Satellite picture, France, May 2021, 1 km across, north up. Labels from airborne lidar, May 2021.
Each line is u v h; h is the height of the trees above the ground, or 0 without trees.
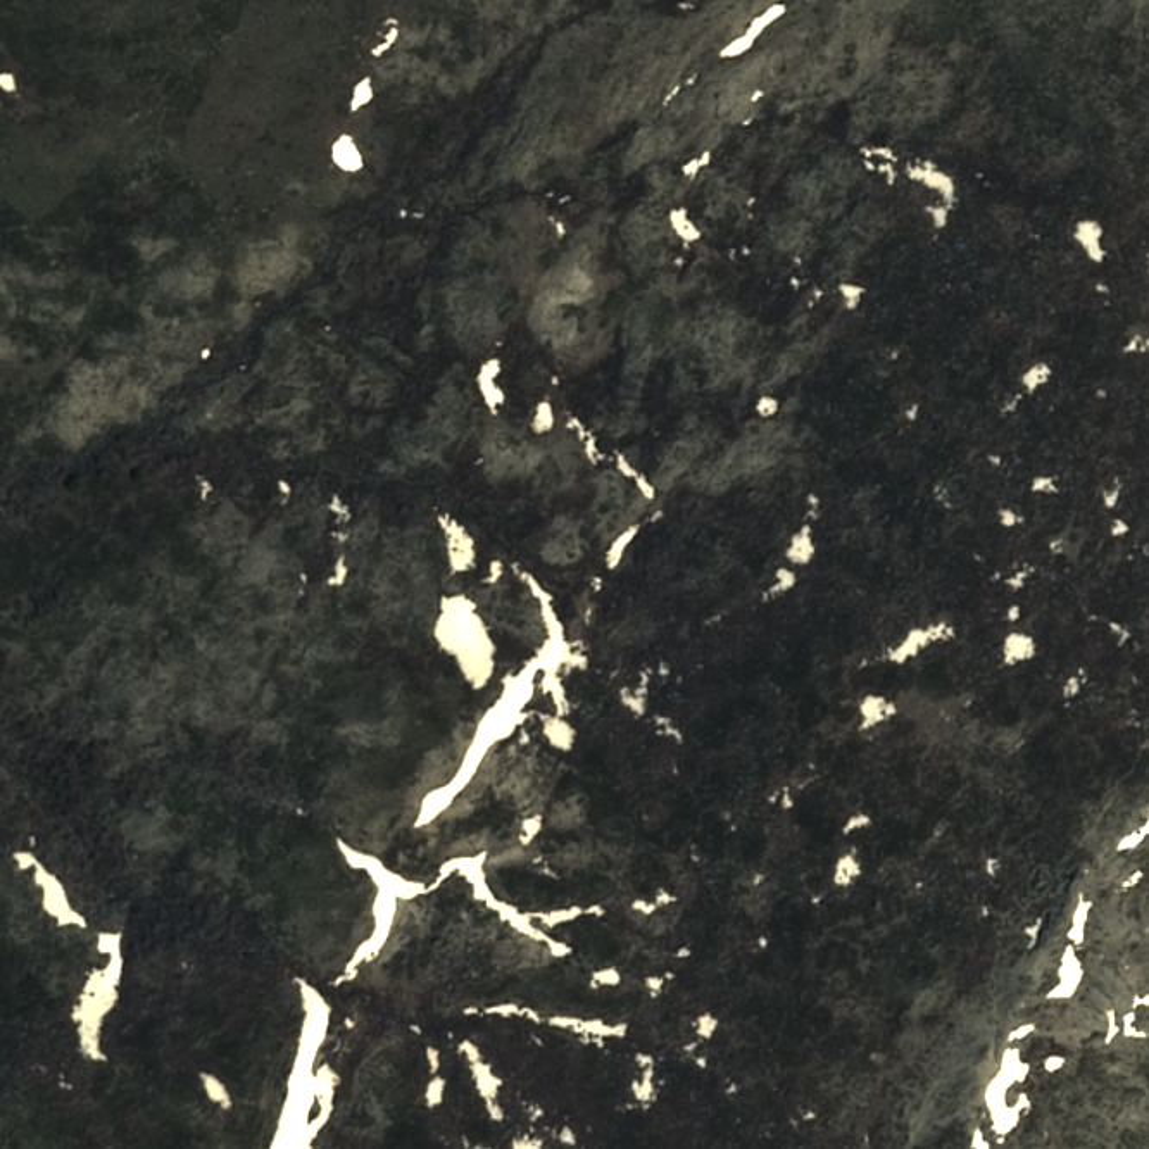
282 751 0
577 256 0
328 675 0
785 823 0
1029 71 0
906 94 0
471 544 0
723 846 0
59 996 0
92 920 0
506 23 0
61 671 0
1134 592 0
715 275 0
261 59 0
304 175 0
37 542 0
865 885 0
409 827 0
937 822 0
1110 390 0
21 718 11
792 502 0
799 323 0
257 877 0
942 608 0
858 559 0
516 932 0
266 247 0
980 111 0
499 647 0
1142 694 0
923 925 0
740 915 0
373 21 0
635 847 0
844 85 0
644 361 0
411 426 0
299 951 0
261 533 0
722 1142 0
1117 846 0
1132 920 0
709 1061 0
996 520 0
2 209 0
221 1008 0
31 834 0
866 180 0
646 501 0
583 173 0
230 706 0
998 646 0
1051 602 0
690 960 0
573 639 0
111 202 0
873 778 0
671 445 0
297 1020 0
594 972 0
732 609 0
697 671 0
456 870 0
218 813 0
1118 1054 0
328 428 0
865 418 0
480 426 0
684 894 0
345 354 0
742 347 0
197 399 0
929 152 0
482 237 0
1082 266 0
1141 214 0
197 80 0
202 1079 0
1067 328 0
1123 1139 0
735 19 0
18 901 0
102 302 0
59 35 0
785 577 0
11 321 0
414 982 0
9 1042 0
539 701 0
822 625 0
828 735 0
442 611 0
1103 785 0
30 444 0
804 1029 0
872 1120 0
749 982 0
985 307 0
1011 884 0
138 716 0
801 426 0
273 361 0
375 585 0
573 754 0
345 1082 0
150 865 0
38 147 0
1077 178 0
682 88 0
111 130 0
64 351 0
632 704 0
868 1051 0
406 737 0
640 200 0
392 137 0
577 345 0
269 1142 0
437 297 0
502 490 0
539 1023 0
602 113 0
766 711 0
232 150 0
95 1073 0
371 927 0
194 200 0
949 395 0
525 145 0
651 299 0
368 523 0
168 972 0
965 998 0
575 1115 0
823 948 0
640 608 0
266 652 0
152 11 0
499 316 0
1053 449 0
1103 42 0
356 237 0
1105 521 0
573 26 0
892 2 0
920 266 0
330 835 0
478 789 0
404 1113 0
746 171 0
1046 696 0
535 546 0
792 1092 0
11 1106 0
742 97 0
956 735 0
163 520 0
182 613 0
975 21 0
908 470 0
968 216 0
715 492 0
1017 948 0
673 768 0
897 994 0
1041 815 0
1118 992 0
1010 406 0
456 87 0
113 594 0
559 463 0
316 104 0
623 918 0
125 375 0
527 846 0
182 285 0
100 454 8
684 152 0
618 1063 0
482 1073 0
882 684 0
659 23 0
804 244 0
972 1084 0
